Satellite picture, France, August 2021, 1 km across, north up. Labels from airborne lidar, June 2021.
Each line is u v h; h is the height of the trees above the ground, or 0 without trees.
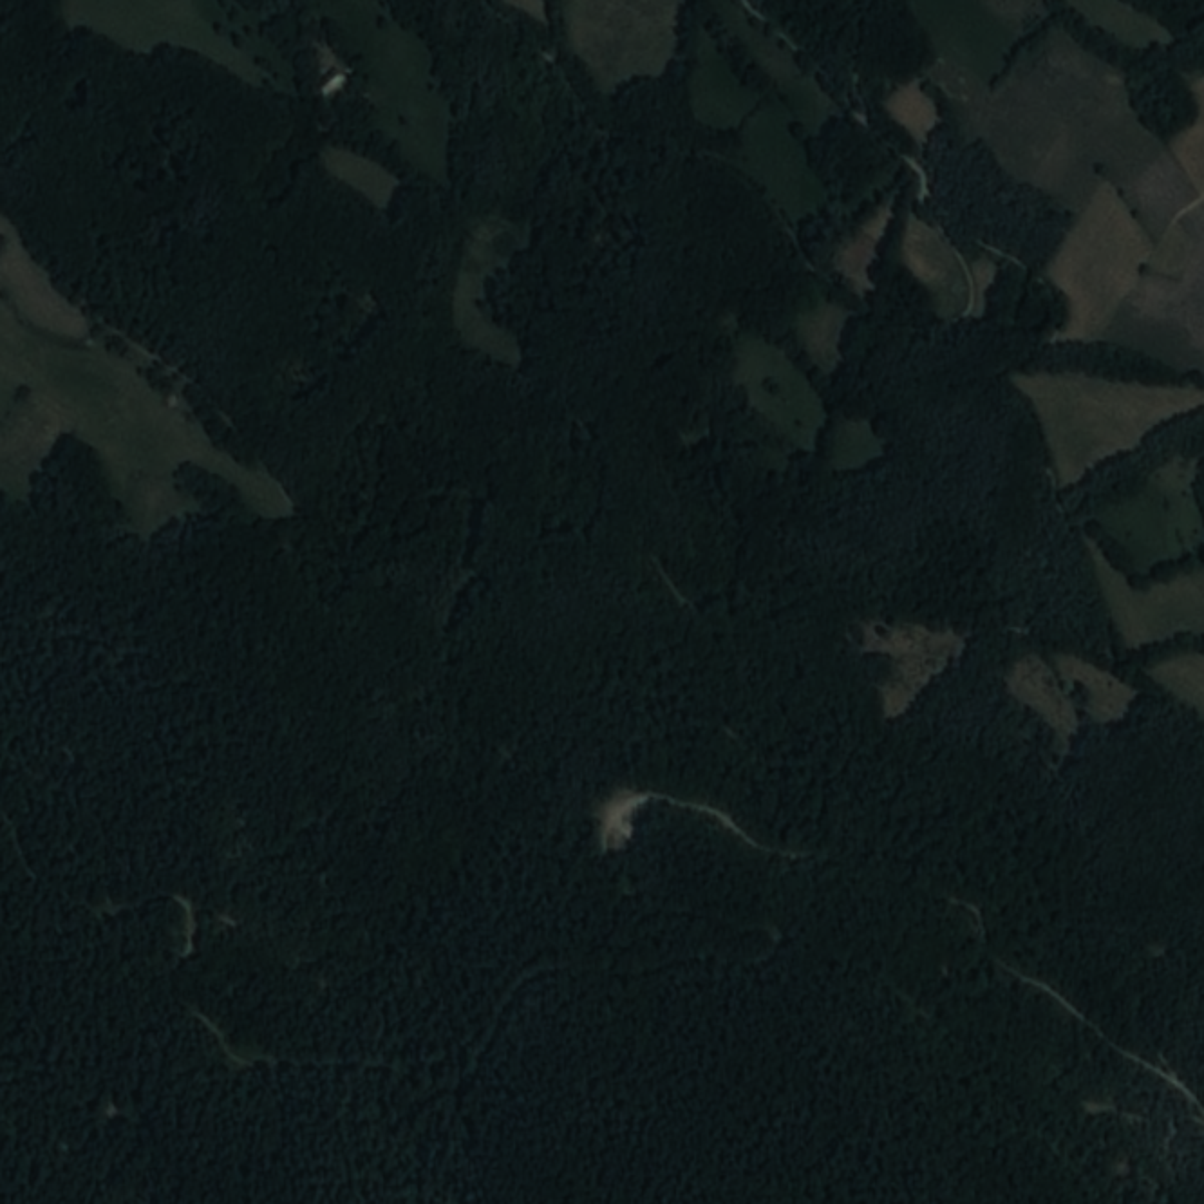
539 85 15
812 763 16
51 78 22
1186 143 0
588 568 21
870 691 19
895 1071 17
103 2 0
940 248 0
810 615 19
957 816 18
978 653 18
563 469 12
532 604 23
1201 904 15
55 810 22
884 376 16
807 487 18
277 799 13
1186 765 18
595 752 18
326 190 28
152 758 19
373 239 26
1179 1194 15
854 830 15
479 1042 17
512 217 14
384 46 0
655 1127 20
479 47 14
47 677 15
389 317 21
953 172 11
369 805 11
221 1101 22
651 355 23
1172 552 0
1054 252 14
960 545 10
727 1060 12
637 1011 15
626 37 0
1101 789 18
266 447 15
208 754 26
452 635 26
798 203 0
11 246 0
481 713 19
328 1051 18
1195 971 18
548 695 17
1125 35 0
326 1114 16
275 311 22
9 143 13
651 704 19
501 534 26
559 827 15
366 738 17
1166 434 17
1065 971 13
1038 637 13
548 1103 16
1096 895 15
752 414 16
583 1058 19
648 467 27
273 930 11
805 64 16
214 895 16
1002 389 14
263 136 21
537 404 23
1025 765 19
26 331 0
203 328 18
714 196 17
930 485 14
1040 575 16
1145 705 17
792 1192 17
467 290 0
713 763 20
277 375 21
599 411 25
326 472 20
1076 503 12
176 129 25
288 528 18
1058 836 24
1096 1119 16
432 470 14
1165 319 0
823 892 21
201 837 19
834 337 0
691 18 16
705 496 17
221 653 23
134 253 26
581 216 7
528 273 16
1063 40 0
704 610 22
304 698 18
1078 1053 17
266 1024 22
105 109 29
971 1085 28
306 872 17
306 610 18
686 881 16
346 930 17
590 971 13
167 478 0
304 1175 24
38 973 25
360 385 23
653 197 26
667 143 21
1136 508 0
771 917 24
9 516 21
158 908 15
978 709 21
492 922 21
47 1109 27
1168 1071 8
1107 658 15
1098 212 0
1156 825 23
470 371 19
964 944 15
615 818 0
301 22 18
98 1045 16
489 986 17
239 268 23
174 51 18
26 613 26
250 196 23
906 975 17
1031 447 16
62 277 15
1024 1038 15
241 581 22
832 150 20
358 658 22
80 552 18
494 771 17
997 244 16
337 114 6
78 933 19
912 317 10
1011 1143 18
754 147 0
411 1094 20
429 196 16
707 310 27
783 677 19
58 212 27
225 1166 23
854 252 0
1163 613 0
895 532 17
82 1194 18
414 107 0
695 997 16
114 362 0
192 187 19
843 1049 16
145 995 21
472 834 18
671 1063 18
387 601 26
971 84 0
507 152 15
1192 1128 9
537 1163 17
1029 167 0
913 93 0
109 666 17
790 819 23
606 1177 26
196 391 12
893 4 13
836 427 11
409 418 28
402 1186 22
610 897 23
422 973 29
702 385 24
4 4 24
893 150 13
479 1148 23
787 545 29
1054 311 15
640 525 23
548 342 26
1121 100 0
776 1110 12
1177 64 19
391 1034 24
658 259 20
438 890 14
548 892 18
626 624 19
